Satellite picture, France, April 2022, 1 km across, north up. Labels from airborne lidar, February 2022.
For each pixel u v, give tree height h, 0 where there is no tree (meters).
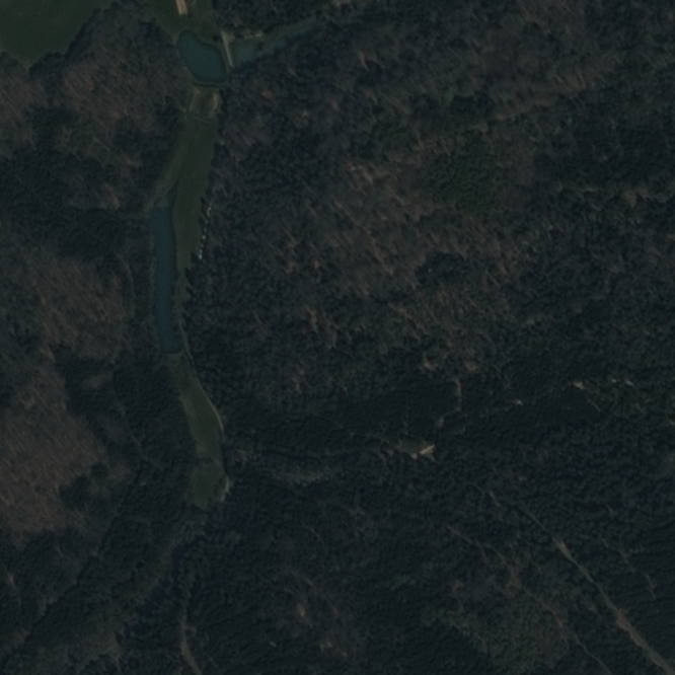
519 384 11
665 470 34
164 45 25
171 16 0
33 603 19
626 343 30
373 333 25
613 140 20
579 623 12
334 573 14
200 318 25
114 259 19
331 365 30
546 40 16
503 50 11
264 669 14
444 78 32
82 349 26
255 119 8
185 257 0
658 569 7
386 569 14
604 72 28
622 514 33
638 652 11
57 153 13
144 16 34
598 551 11
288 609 14
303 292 28
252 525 22
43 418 25
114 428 21
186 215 0
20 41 0
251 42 0
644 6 22
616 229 13
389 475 32
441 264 26
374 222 31
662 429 20
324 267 27
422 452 0
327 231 28
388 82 35
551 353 8
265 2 30
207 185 0
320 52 12
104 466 24
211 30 0
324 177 27
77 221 20
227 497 0
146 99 21
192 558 34
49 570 23
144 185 21
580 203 10
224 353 11
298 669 9
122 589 25
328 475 26
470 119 13
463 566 13
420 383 15
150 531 22
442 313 34
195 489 0
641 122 22
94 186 25
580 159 23
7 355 28
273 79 11
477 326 30
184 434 25
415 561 15
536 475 26
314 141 10
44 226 22
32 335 24
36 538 17
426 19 22
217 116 0
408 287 29
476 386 15
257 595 16
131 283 20
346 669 15
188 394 0
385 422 12
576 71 28
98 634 14
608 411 8
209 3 0
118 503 21
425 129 11
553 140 20
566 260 10
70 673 9
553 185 19
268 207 33
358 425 9
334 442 15
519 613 9
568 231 26
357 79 32
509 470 28
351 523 16
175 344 0
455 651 17
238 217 29
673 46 24
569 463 22
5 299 28
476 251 29
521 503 35
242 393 12
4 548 24
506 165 15
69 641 10
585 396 10
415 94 33
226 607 10
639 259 33
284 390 14
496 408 10
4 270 28
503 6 26
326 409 15
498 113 31
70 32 0
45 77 19
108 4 0
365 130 27
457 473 18
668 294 34
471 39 34
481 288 29
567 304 29
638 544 13
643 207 9
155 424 21
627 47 25
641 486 21
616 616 17
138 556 28
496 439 15
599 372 14
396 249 30
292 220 33
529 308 23
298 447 12
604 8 17
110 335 22
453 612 17
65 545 23
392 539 17
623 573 29
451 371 28
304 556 15
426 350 13
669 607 10
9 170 27
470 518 10
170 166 9
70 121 17
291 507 21
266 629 12
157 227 0
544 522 13
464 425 13
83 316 26
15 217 26
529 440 15
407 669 15
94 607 17
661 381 24
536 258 27
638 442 30
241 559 19
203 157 0
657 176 28
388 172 33
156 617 30
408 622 17
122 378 23
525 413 10
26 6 0
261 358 12
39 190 21
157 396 23
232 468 25
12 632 22
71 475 24
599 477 35
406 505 17
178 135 22
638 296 30
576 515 34
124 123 18
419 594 18
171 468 25
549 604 16
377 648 21
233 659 9
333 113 33
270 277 29
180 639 14
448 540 21
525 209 16
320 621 17
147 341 22
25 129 25
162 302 0
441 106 15
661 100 21
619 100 24
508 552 11
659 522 13
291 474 19
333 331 13
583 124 24
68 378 20
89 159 17
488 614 18
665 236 28
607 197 8
